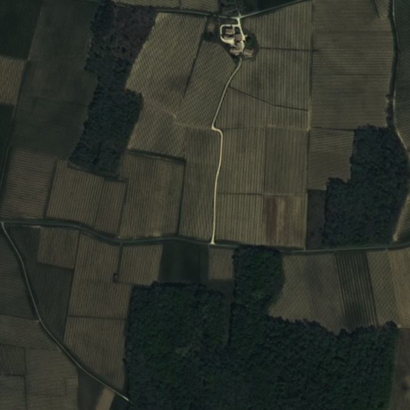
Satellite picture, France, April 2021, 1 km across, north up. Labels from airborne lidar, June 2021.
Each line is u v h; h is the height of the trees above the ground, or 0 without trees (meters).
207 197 0
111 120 20
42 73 0
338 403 25
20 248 0
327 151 0
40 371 0
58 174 0
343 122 0
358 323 0
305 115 0
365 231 22
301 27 0
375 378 22
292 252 0
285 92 0
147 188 0
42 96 0
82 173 0
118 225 0
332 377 24
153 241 0
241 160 0
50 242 0
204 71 0
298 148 0
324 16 0
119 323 0
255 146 0
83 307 0
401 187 18
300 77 0
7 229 0
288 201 0
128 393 8
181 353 29
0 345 0
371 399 16
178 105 0
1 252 0
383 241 14
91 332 0
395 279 0
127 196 0
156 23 0
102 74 18
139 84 0
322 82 0
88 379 0
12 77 0
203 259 0
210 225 0
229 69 0
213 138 0
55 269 0
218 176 0
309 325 21
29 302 0
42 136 0
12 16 0
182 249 0
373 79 0
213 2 0
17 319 0
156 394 19
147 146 0
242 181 0
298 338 8
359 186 17
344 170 0
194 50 0
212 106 0
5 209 0
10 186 0
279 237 0
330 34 0
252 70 0
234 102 0
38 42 0
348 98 0
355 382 21
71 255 0
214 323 26
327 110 0
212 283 0
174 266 0
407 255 0
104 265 0
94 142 12
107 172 13
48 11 0
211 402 23
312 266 0
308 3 0
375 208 23
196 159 0
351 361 23
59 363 0
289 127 0
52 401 0
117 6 10
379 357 13
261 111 0
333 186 17
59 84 0
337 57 0
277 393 21
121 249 0
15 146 0
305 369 10
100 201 0
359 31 0
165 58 0
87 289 0
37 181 0
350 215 17
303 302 0
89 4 0
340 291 0
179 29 0
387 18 0
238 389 22
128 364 17
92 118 19
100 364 0
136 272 0
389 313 0
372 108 0
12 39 0
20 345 0
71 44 0
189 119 0
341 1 0
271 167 0
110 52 17
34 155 0
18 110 0
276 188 0
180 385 23
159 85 0
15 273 0
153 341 27
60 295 0
